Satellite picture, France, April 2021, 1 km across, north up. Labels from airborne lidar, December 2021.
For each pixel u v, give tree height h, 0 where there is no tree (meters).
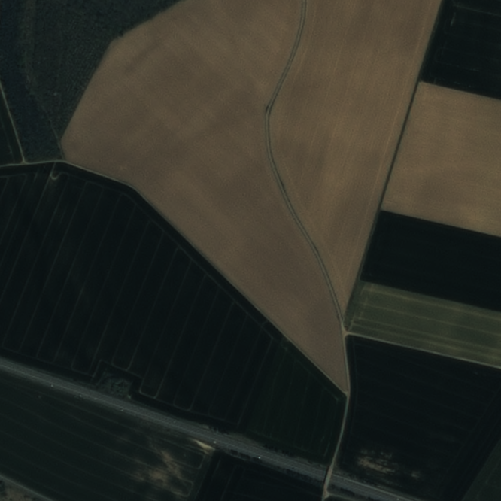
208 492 0
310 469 0
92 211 0
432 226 0
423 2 0
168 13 0
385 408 0
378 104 0
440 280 0
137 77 0
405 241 0
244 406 0
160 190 0
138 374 0
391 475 0
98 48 15
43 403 0
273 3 0
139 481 0
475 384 0
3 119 0
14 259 0
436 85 0
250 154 0
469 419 0
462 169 0
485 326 0
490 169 0
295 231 0
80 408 0
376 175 0
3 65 12
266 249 0
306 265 0
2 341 0
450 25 0
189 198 0
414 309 0
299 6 0
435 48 0
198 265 0
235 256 0
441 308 0
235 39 0
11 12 13
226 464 0
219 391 0
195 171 0
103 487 0
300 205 0
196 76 0
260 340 0
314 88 0
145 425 0
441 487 0
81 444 0
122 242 0
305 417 0
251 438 0
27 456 0
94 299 0
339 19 0
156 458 0
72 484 0
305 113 0
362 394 0
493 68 0
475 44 0
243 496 0
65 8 13
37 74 13
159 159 0
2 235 0
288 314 0
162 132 0
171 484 0
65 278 0
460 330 0
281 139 0
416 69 0
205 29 0
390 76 0
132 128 0
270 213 0
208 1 0
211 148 0
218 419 0
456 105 0
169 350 0
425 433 0
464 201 0
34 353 0
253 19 0
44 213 0
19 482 0
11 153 0
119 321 0
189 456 0
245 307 0
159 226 0
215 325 0
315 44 0
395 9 0
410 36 0
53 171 0
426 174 0
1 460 0
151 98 0
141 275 0
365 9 0
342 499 0
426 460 0
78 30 15
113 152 0
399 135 0
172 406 0
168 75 0
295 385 0
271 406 0
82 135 0
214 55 0
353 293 0
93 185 0
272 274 0
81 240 0
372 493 0
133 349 0
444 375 0
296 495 0
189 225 0
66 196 0
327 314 0
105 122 0
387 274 0
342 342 0
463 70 0
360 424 0
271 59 0
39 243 0
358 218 0
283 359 0
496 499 0
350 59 0
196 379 0
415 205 0
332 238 0
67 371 0
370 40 0
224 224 0
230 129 0
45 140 16
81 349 0
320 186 0
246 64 0
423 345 0
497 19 0
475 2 0
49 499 0
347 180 0
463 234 0
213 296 0
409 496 0
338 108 0
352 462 0
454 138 0
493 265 0
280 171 0
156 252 0
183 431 0
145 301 0
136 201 0
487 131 0
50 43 13
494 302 0
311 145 0
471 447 0
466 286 0
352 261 0
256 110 0
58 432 0
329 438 0
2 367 0
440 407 0
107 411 0
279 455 0
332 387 0
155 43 0
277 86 0
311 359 0
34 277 0
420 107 0
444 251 0
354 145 0
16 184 0
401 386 0
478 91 0
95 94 0
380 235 0
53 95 13
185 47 0
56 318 0
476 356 0
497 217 0
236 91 0
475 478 0
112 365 0
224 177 0
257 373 0
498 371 0
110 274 0
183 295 0
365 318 0
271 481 0
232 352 0
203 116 0
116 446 0
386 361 0
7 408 0
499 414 0
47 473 0
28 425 0
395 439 0
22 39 12
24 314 0
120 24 17
